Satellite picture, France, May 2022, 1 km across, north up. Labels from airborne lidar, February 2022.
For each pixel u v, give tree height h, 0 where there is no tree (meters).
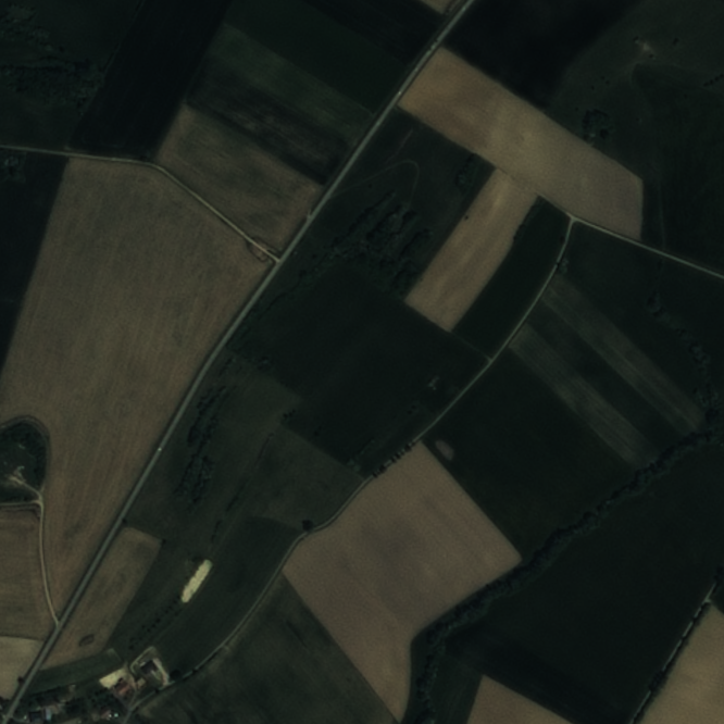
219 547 0
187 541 0
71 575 0
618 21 0
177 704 0
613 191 0
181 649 0
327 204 0
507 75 0
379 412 0
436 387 0
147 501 0
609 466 0
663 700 0
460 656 0
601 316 0
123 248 0
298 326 0
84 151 0
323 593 0
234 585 0
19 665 0
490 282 0
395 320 0
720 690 0
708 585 0
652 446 0
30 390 0
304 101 0
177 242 0
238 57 0
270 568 0
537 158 0
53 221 0
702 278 0
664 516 0
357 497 0
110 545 0
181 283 0
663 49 0
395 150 0
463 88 0
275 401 0
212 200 0
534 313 0
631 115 0
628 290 0
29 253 0
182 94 0
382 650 0
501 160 0
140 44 0
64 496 0
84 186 0
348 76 0
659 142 0
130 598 0
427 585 0
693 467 0
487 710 0
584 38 0
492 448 0
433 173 0
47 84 7
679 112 0
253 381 0
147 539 0
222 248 0
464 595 0
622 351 0
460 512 0
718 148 0
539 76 0
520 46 0
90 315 0
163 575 0
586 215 0
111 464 0
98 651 0
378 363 0
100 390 0
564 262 6
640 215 0
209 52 0
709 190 0
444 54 0
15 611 0
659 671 0
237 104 0
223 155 0
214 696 0
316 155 0
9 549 0
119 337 0
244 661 0
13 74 8
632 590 0
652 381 0
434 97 0
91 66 15
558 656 0
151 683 0
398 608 0
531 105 0
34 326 0
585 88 0
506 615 0
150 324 0
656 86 0
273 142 0
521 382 0
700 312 0
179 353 0
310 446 0
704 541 0
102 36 0
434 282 0
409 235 0
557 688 0
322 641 0
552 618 0
